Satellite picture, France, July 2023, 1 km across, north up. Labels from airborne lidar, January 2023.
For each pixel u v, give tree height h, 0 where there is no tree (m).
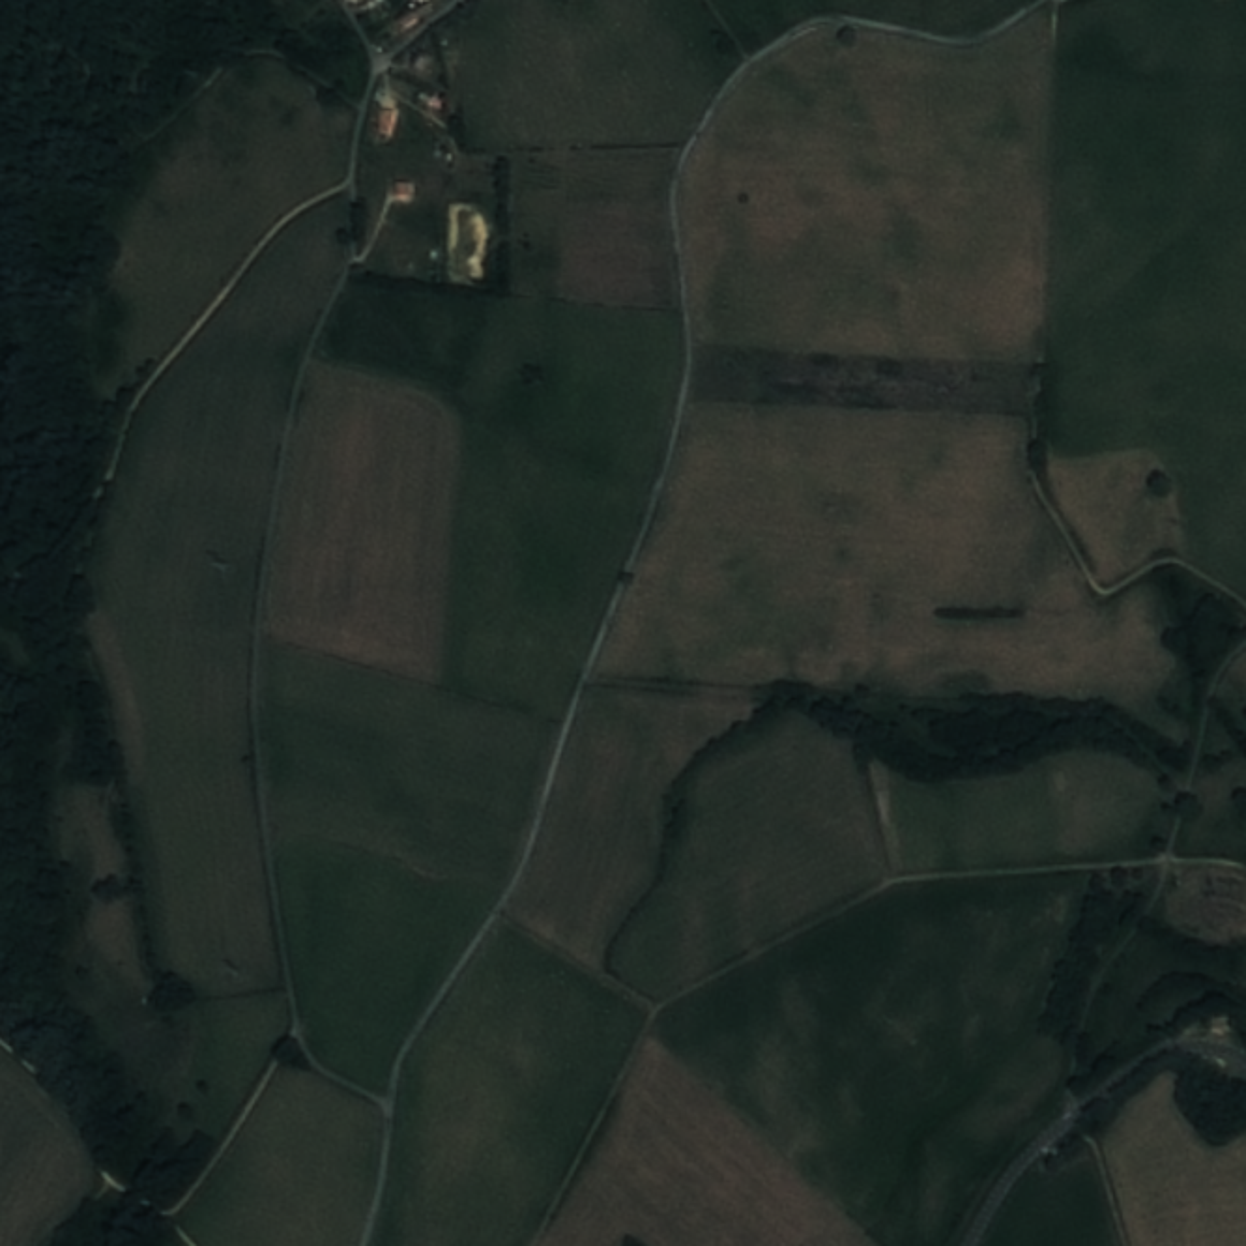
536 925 0
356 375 0
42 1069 22
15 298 24
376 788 0
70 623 8
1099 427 0
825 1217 0
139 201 0
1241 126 0
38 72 19
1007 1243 0
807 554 0
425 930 0
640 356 0
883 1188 0
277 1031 0
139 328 0
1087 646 0
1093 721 7
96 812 0
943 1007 0
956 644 0
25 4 16
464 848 0
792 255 0
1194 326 0
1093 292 0
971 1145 0
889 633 0
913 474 0
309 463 0
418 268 0
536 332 0
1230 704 0
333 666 0
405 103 0
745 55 0
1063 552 0
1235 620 0
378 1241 0
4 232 18
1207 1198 0
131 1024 0
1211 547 0
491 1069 0
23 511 24
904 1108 0
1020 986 0
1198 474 0
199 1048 0
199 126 0
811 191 0
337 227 0
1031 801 0
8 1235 0
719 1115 0
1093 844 0
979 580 0
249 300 0
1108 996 6
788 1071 0
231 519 0
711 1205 0
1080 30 0
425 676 0
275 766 0
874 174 0
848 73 0
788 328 0
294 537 0
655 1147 0
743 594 0
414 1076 0
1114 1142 0
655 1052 0
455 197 0
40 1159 0
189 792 0
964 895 0
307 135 0
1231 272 0
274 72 0
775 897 0
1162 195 0
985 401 0
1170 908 0
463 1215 0
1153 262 0
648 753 0
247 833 0
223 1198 0
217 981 0
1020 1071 0
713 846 0
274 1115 0
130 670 0
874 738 16
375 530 0
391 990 0
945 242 0
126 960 0
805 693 7
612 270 0
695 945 0
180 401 0
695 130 0
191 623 0
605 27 0
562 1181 0
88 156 16
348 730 0
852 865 0
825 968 0
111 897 17
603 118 0
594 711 0
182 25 6
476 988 0
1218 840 0
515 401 0
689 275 0
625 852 0
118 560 0
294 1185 0
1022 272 0
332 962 0
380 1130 0
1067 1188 0
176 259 0
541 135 0
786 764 0
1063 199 0
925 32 0
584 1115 0
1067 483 0
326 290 0
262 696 0
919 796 0
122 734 0
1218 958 14
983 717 8
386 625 0
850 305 0
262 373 0
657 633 0
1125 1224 0
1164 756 16
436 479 0
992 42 0
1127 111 0
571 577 0
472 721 0
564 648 0
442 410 0
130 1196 11
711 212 0
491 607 0
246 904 0
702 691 0
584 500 0
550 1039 0
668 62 0
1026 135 0
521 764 0
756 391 0
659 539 0
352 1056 0
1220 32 0
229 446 0
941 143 0
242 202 0
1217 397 0
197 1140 8
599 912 0
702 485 0
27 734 20
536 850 0
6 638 0
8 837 17
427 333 0
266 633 0
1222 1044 0
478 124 0
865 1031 0
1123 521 0
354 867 0
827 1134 0
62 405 21
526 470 0
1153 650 0
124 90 19
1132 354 0
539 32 0
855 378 0
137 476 0
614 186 0
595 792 0
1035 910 0
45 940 25
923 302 0
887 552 0
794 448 0
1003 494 0
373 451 0
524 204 0
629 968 0
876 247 0
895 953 0
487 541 0
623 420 0
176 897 0
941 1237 0
